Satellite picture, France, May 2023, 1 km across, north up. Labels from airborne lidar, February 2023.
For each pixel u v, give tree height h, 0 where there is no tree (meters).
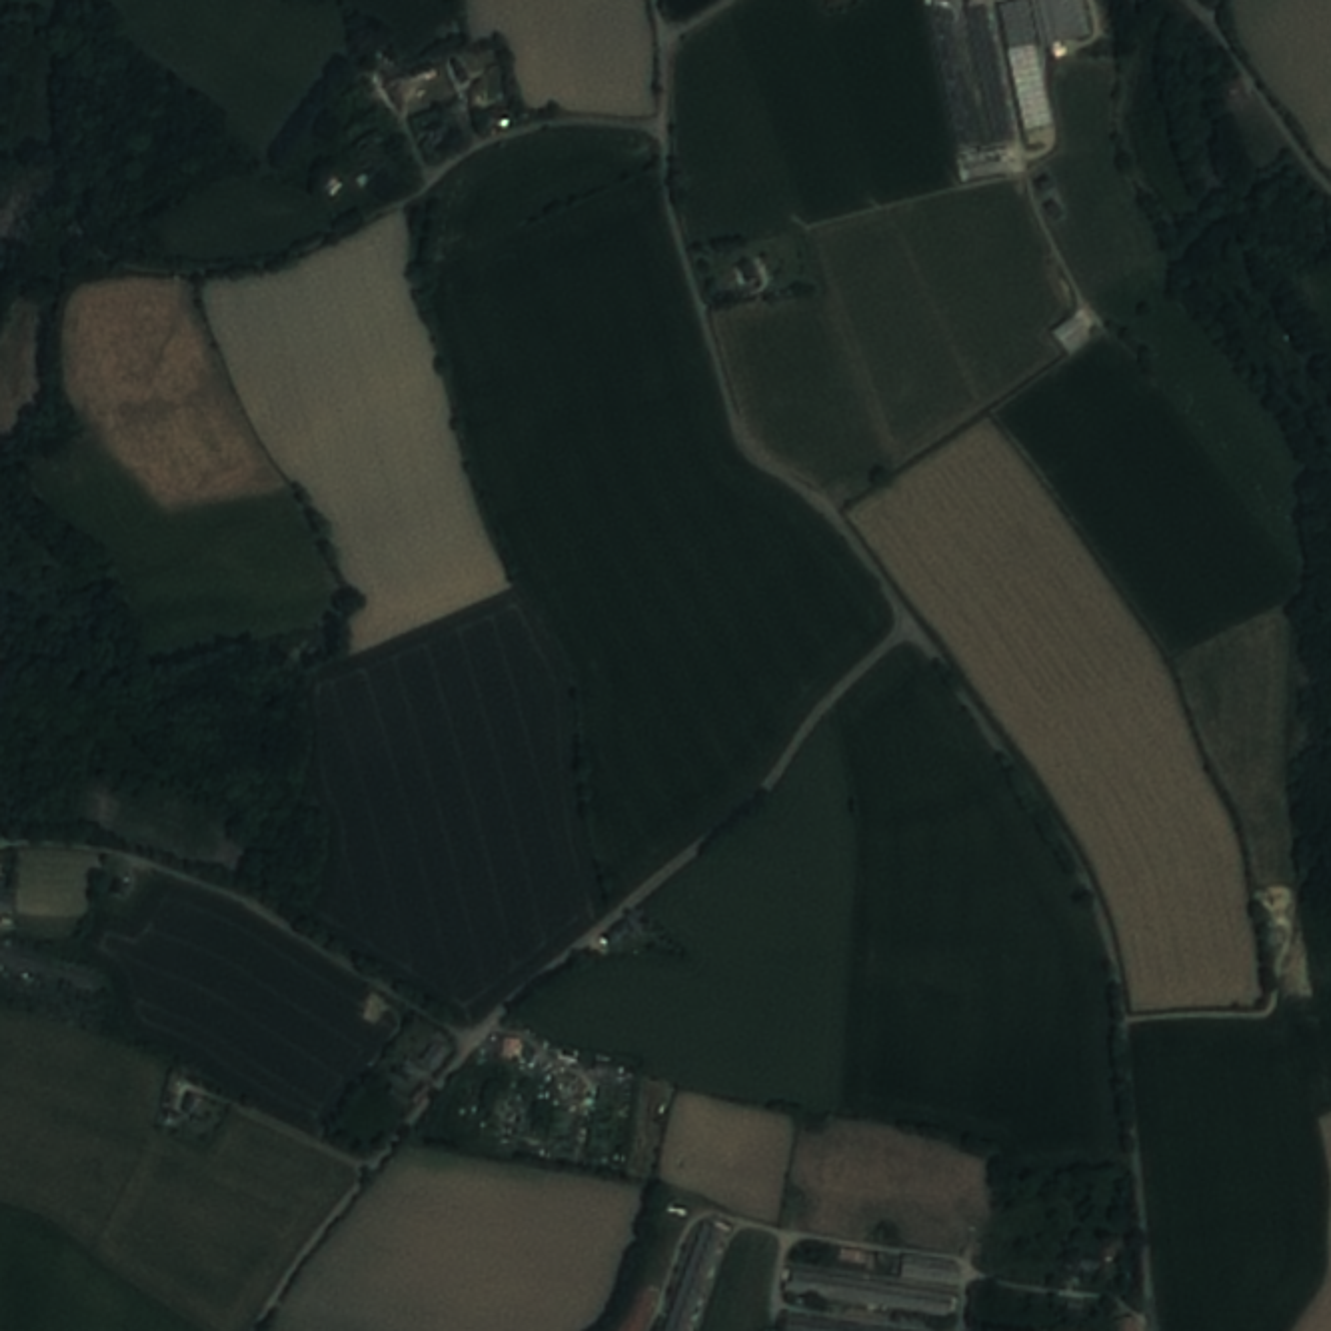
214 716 20
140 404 0
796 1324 0
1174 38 11
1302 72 0
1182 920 0
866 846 0
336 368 0
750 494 0
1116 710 0
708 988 0
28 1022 0
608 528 0
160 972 0
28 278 18
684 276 0
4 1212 0
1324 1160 0
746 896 0
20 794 8
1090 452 0
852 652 0
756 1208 0
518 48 0
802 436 0
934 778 0
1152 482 0
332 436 0
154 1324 0
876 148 0
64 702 17
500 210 0
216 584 0
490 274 0
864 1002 0
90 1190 0
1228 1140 0
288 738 20
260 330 0
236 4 0
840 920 0
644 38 0
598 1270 0
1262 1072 0
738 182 0
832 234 0
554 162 0
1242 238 16
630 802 0
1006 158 0
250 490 0
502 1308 0
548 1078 0
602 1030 0
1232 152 17
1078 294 0
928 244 0
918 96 0
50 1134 0
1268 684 0
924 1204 0
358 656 0
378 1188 0
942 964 0
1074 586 0
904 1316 7
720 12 0
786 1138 0
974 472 0
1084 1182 9
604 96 0
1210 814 0
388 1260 0
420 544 0
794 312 0
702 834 0
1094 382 0
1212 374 0
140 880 0
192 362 0
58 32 16
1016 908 0
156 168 15
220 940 0
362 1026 0
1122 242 0
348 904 0
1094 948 0
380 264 0
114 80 16
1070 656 0
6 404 0
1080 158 0
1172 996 0
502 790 0
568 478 0
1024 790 17
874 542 0
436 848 0
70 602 14
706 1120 0
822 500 0
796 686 0
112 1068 0
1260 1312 0
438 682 0
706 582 0
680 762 0
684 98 0
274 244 0
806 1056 0
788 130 0
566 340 0
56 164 23
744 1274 0
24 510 19
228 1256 0
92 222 16
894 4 0
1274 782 0
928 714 0
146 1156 0
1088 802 0
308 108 14
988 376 0
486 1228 0
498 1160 0
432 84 0
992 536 0
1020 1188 8
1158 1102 0
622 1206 0
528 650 0
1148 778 0
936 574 0
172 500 0
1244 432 0
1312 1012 0
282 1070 0
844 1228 0
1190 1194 0
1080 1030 0
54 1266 0
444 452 0
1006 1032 0
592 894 0
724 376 0
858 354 0
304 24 0
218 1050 0
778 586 0
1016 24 0
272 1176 0
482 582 0
